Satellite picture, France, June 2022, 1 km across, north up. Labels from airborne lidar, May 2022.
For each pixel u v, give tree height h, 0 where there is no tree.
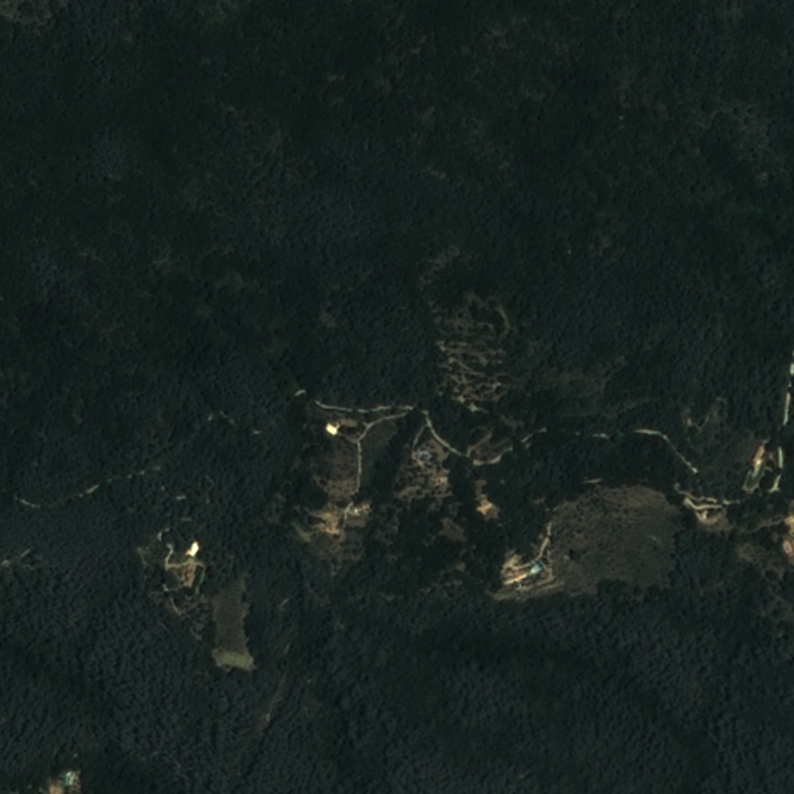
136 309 11
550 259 11
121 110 12
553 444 16
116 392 10
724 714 8
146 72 16
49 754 23
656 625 15
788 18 15
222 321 13
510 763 9
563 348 18
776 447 15
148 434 12
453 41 10
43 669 18
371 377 16
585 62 11
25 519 17
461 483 16
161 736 24
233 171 9
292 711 21
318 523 15
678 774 10
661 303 16
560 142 6
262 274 11
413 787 22
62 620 24
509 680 21
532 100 10
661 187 7
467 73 12
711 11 10
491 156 7
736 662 20
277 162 12
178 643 18
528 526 16
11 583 8
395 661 10
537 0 13
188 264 10
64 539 16
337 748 12
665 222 12
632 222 10
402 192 14
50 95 10
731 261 9
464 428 10
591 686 12
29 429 13
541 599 7
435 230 9
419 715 10
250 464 15
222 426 18
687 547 10
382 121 11
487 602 18
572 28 12
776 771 15
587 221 13
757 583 12
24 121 13
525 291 12
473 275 11
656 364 14
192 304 12
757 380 20
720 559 13
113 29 14
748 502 11
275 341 14
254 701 21
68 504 10
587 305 14
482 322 12
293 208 14
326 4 12
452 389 9
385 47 12
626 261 15
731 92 7
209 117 11
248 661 0
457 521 13
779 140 14
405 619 14
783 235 7
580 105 10
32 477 16
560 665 15
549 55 11
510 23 8
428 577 11
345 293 10
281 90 11
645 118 8
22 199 11
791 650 22
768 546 11
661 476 14
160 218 10
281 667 13
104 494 7
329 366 11
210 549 15
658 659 20
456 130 8
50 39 12
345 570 8
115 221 9
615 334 17
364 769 14
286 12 11
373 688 17
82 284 9
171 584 18
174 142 14
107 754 18
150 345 13
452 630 12
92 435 17
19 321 8
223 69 9
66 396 14
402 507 12
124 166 16
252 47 7
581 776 6
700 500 8
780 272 17
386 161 14
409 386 17
